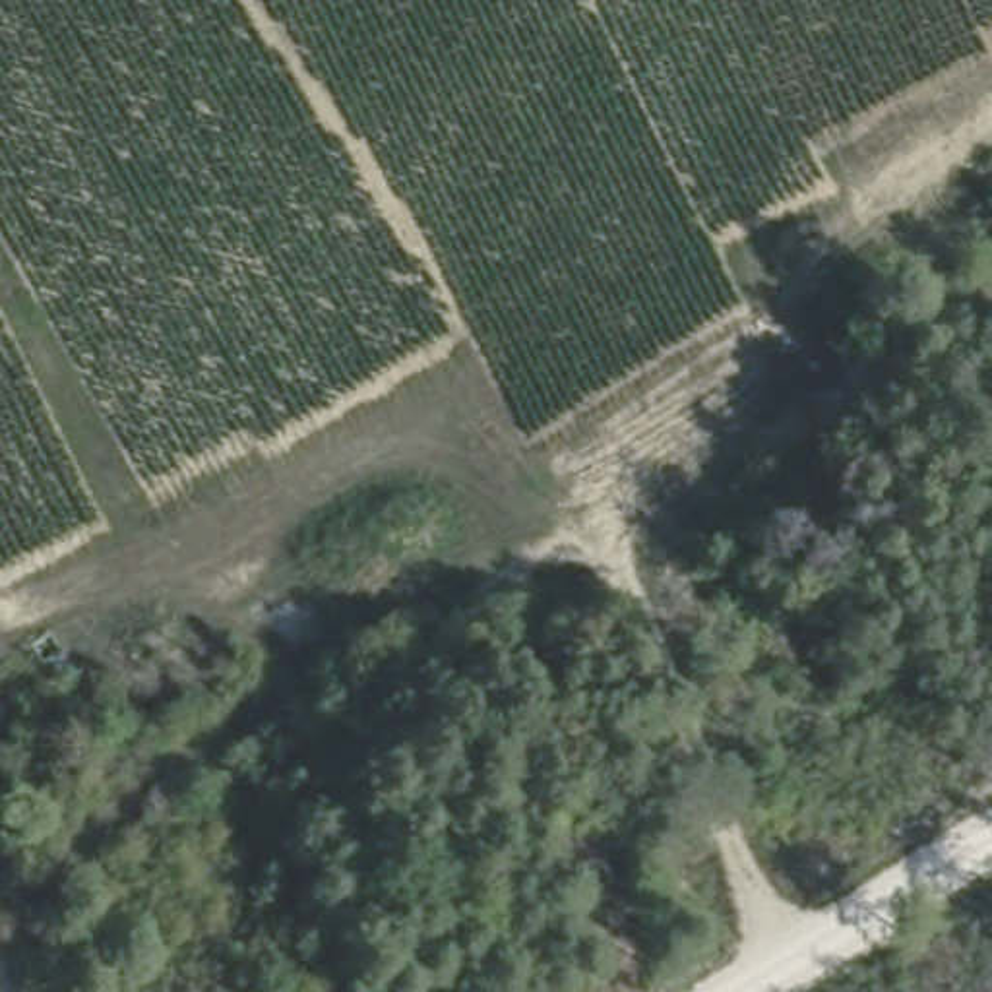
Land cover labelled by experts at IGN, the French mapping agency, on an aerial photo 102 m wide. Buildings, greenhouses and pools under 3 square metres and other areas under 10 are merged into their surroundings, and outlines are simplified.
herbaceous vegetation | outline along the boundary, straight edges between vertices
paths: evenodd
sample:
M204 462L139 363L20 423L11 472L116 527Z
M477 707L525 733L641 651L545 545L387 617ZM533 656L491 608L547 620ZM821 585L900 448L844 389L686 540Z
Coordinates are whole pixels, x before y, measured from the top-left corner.
M395 469L415 469L426 481L426 488L446 496L461 512L461 531L453 546L442 554L446 566L484 570L500 554L519 554L531 562L581 562L593 566L601 581L608 581L612 589L639 597L643 581L632 550L636 539L624 519L636 512L639 465L674 465L682 453L701 450L709 442L705 430L698 430L698 422L690 419L694 399L705 407L744 403L763 422L763 442L771 450L794 442L802 450L806 442L814 442L825 419L841 415L845 395L845 376L825 364L837 306L860 302L895 283L891 275L868 267L853 248L876 240L887 229L891 213L911 209L926 190L942 186L957 167L965 167L973 147L992 143L992 66L984 54L969 54L938 70L934 78L915 81L891 93L887 101L856 112L849 124L822 128L806 143L806 151L814 159L818 178L837 182L833 198L802 213L775 217L752 236L717 248L717 264L729 279L732 306L713 314L686 337L655 349L655 357L632 364L605 388L581 395L550 422L535 430L519 430L512 422L500 395L500 380L477 333L469 329L465 341L442 364L422 368L395 384L388 395L353 407L345 419L314 430L287 453L236 457L213 469L229 488L213 508L198 508L159 531L143 531L124 550L93 558L93 550L81 546L12 585L0 585L0 624L27 628L74 605L97 605L101 612L109 612L120 605L151 605L155 597L178 601L190 616L205 616L213 605L209 581L217 574L240 562L267 566L283 535L306 512L329 504L337 492L357 488L372 473Z

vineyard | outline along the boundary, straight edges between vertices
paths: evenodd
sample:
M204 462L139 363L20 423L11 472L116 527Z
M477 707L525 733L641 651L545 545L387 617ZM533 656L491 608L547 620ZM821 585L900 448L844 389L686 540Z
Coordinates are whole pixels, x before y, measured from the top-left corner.
M353 407L388 395L395 384L422 368L442 364L465 341L469 329L477 333L500 380L500 395L512 422L519 430L535 430L550 422L581 395L605 388L632 364L655 357L655 349L686 337L713 314L732 306L729 279L717 264L717 248L752 236L775 217L802 213L833 198L837 182L818 178L814 159L806 151L806 143L822 128L849 124L856 112L887 101L891 93L915 81L934 78L938 70L969 54L984 54L992 66L992 0L0 0L0 585L12 585L81 546L93 550L93 558L124 550L143 531L159 531L198 508L213 508L229 488L213 469L236 457L287 453L314 430L345 419Z

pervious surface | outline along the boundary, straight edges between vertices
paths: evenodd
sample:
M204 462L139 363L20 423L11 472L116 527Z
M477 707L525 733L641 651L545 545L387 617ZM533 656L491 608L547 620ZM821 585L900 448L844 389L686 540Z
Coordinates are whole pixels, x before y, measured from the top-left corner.
M756 864L740 825L717 829L713 841L721 849L732 903L740 915L740 949L732 965L701 980L694 992L794 992L833 973L837 961L868 953L891 938L895 891L922 891L930 903L946 907L953 891L973 884L973 876L992 872L992 810L984 818L965 818L949 825L938 845L918 849L918 856L907 856L903 864L880 872L856 895L825 911L787 903L771 887L767 872Z

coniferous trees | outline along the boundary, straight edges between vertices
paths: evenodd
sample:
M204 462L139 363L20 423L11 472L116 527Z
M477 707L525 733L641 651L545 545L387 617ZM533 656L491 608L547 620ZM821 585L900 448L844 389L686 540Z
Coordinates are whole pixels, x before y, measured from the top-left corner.
M694 399L690 419L698 422L698 430L705 430L709 442L701 450L682 453L674 465L639 465L636 512L624 519L636 539L632 550L643 581L639 597L612 589L608 581L601 581L593 566L581 562L531 562L519 554L500 554L484 570L446 566L442 554L453 546L461 531L461 512L446 496L426 488L426 481L415 469L395 469L372 473L357 488L337 492L329 504L306 512L283 535L267 566L240 562L217 574L209 581L213 605L205 616L190 616L178 601L155 597L151 605L120 605L109 612L101 612L97 605L74 605L27 628L0 624L0 992L694 992L701 980L732 965L740 949L740 915L732 903L721 849L713 841L717 829L740 825L756 864L767 872L771 887L787 903L825 911L856 895L880 872L903 864L907 856L918 856L918 849L938 845L949 825L965 818L984 818L992 810L992 143L973 147L965 167L957 167L942 186L926 190L911 209L891 213L887 229L876 240L853 248L868 267L891 275L895 283L860 302L837 306L825 364L845 376L845 395L841 415L825 419L814 442L806 442L802 450L794 442L771 450L763 442L763 422L744 403L705 407Z
M930 903L922 891L895 891L891 938L868 953L837 961L833 973L794 992L992 992L992 872L973 876L973 884L953 891L946 907Z

